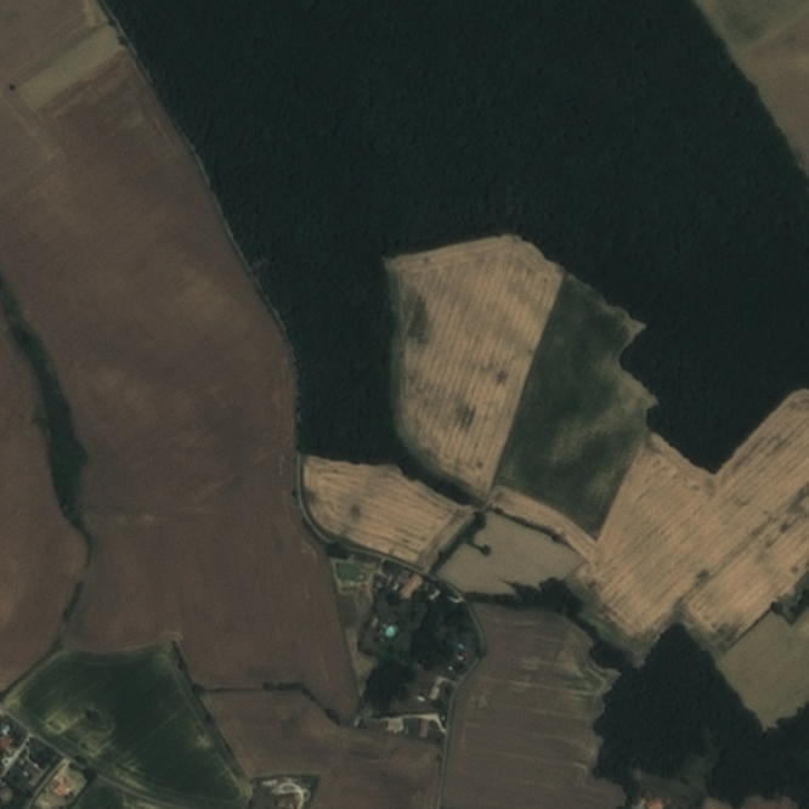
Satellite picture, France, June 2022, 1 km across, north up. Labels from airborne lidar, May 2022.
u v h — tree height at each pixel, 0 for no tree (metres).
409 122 19
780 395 14
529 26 25
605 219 21
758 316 16
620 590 0
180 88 16
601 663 15
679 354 18
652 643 0
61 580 0
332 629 0
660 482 0
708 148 24
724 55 19
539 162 22
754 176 25
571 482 0
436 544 0
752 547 0
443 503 0
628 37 21
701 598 0
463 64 23
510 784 0
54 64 0
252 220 17
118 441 0
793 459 0
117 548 0
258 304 0
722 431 15
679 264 22
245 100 20
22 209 0
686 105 25
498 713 0
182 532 0
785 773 20
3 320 0
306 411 14
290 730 0
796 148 0
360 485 0
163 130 0
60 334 0
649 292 15
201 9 17
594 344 0
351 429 9
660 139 20
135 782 0
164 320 0
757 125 21
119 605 0
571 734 0
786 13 0
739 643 0
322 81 27
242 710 0
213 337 0
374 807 0
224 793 0
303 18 17
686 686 16
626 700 14
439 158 16
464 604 8
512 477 0
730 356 12
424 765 0
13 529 0
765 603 0
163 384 0
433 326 0
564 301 0
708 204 23
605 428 0
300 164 21
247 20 17
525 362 0
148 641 0
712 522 0
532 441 0
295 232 20
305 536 0
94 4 0
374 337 29
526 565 0
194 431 0
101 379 0
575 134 22
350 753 0
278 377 0
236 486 0
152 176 0
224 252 0
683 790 0
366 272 25
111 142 0
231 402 0
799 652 0
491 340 0
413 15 19
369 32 21
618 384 0
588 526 0
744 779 19
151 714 0
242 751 0
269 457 0
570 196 25
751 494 0
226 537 0
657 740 17
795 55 0
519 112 21
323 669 0
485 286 0
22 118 0
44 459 0
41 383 0
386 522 0
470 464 0
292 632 0
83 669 0
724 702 15
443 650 10
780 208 24
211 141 17
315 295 17
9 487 0
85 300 0
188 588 0
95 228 0
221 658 0
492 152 20
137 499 0
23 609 0
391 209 23
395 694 17
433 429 0
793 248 18
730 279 14
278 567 0
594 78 26
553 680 0
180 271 0
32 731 0
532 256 0
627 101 21
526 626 0
